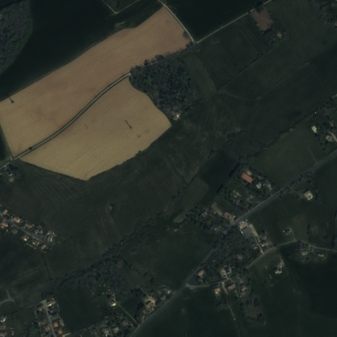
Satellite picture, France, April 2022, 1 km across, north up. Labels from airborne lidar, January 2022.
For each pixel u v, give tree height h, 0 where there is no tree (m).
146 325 0
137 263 0
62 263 0
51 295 12
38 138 0
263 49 0
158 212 0
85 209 0
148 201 0
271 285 0
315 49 0
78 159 0
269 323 0
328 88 0
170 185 0
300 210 0
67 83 0
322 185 0
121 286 22
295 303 0
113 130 0
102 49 0
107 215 0
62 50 0
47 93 0
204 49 0
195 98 15
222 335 0
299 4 0
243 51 0
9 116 0
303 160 0
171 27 0
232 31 0
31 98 0
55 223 0
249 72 0
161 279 0
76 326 0
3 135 0
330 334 0
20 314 0
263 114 0
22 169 0
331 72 0
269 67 0
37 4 0
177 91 13
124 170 0
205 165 0
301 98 0
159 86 14
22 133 0
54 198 0
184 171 0
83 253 0
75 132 0
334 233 0
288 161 0
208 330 0
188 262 0
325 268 0
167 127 0
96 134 0
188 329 0
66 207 0
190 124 0
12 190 0
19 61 0
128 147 0
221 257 8
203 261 0
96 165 0
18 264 0
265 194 10
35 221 0
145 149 0
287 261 0
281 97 0
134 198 0
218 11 0
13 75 0
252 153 0
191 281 0
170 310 0
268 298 0
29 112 0
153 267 0
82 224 0
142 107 0
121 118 0
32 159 0
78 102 0
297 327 0
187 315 0
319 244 0
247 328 0
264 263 0
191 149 0
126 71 0
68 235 0
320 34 0
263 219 0
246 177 0
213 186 0
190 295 0
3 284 0
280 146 0
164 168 0
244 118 0
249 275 18
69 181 0
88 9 0
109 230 0
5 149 0
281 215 0
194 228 0
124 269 0
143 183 0
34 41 0
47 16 0
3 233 0
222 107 0
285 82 0
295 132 0
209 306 0
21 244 0
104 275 21
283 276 0
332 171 0
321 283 0
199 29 0
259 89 0
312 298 0
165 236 0
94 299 13
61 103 0
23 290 0
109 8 0
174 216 0
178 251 0
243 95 0
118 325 8
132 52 0
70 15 0
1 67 25
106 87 0
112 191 0
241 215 0
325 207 0
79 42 0
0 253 0
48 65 0
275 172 0
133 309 0
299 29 0
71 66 0
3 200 0
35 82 0
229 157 0
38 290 0
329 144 15
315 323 0
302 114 0
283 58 0
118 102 0
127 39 0
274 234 0
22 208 0
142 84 16
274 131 0
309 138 0
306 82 0
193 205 0
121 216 0
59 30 0
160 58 0
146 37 0
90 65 0
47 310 0
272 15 5
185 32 0
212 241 0
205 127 0
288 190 11
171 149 0
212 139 0
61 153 0
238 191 0
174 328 0
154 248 0
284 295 0
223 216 0
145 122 0
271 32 16
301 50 0
